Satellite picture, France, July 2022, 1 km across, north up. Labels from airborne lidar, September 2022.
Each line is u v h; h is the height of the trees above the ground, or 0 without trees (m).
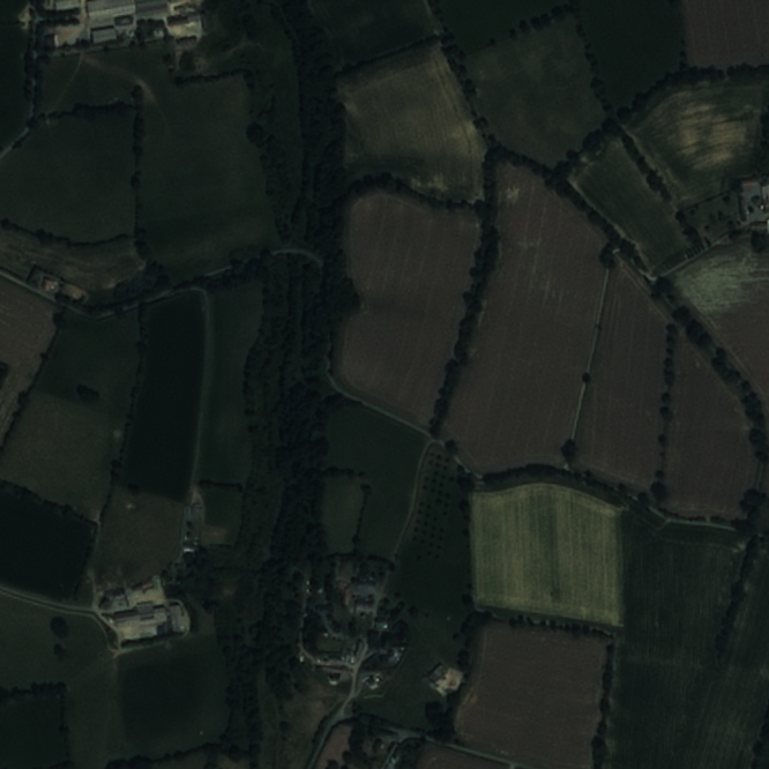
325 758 0
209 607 15
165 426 0
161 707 0
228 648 15
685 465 0
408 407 0
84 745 0
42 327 0
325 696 0
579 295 0
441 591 0
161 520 0
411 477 0
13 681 0
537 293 0
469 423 0
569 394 0
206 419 0
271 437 6
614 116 9
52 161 0
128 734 0
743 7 0
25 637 0
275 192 13
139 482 0
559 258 0
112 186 0
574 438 0
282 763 0
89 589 0
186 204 0
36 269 8
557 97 0
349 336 0
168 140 0
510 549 0
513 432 0
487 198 10
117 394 0
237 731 8
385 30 0
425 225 0
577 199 12
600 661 0
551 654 0
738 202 0
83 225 0
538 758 0
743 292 0
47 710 0
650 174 10
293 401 21
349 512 0
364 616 6
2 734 0
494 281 0
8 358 0
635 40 0
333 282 24
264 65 0
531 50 0
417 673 0
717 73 17
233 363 0
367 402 0
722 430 0
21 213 0
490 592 0
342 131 11
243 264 8
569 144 0
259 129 17
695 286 0
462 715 0
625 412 0
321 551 11
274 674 19
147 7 0
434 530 6
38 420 0
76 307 12
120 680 0
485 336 0
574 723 0
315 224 14
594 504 0
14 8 0
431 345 0
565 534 0
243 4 9
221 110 0
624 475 0
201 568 23
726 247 0
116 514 0
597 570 0
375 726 12
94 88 0
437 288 0
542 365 0
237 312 0
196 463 0
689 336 14
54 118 9
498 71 0
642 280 0
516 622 13
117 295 9
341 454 0
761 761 8
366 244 0
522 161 9
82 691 0
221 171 0
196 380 0
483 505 0
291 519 15
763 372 0
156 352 0
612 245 8
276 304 8
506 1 0
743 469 0
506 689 0
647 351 0
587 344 0
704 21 0
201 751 8
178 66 0
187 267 0
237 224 0
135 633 0
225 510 0
